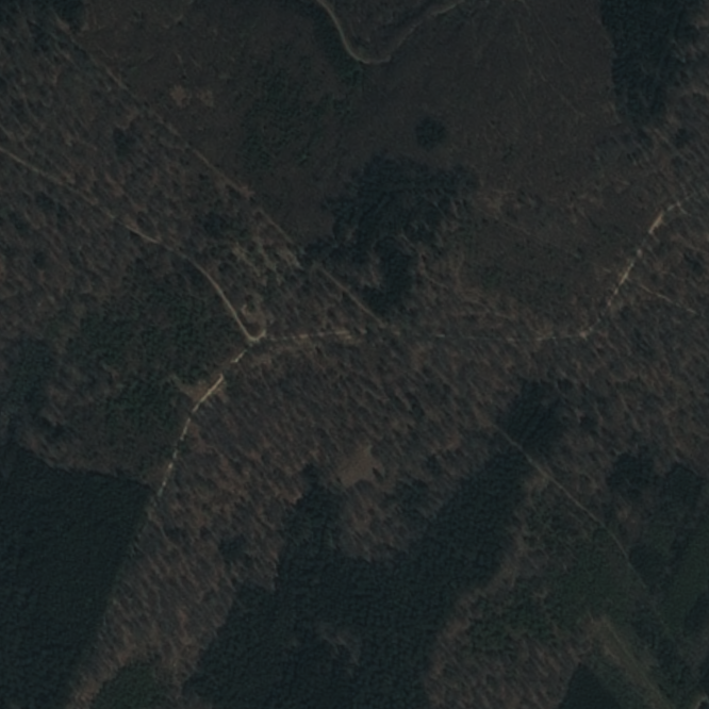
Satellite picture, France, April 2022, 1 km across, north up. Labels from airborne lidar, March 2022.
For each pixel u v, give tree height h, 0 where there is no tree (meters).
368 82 12
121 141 23
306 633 19
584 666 14
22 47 10
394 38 12
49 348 18
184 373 12
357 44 13
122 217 24
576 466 20
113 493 15
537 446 21
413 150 12
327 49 12
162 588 24
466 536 25
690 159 0
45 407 24
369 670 26
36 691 26
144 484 7
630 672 0
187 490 26
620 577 11
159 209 28
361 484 0
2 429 26
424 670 20
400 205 25
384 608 26
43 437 25
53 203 17
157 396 12
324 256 24
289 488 32
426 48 10
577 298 8
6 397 23
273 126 9
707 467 12
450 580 25
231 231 10
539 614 15
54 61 29
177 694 16
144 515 13
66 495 17
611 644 0
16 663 29
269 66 11
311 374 6
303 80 10
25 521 17
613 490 23
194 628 0
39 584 19
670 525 17
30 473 19
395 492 7
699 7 20
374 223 30
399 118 14
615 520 18
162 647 0
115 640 26
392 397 30
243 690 22
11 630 27
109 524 11
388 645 19
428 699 12
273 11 12
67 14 26
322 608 22
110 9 12
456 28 6
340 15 15
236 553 29
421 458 30
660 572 16
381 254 18
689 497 24
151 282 9
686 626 19
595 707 21
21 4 30
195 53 10
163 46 13
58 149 26
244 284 24
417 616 24
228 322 7
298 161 11
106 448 11
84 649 17
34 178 27
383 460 27
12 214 27
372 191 26
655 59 21
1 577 15
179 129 12
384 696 17
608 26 19
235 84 9
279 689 21
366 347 6
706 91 29
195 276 17
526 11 9
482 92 10
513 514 11
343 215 20
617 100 11
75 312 31
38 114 26
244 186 8
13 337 27
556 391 15
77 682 30
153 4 13
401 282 23
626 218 15
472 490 23
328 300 25
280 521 30
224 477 26
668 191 0
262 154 10
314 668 31
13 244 0
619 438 10
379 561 19
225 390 0
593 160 11
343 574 21
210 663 23
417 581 23
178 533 13
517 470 25
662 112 21
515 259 12
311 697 27
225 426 24
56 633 16
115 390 20
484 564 19
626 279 0
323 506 29
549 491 7
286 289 15
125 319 15
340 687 21
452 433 28
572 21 12
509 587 12
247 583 22
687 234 0
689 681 21
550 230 19
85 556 14
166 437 6
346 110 11
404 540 24
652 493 14
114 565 14
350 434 28
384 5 8
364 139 10
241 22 10
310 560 20
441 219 25
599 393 25
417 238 19
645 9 23
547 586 12
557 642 15
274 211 11
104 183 24
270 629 14
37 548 14
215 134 7
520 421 20
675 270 10
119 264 24
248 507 25
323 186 26
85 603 16
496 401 0
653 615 20
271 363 0
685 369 27
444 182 21
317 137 12
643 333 23
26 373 23
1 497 20
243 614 27
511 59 12
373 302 17
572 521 8
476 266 9
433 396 6
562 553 8
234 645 23
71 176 22
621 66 17
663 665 17
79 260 28
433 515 25
